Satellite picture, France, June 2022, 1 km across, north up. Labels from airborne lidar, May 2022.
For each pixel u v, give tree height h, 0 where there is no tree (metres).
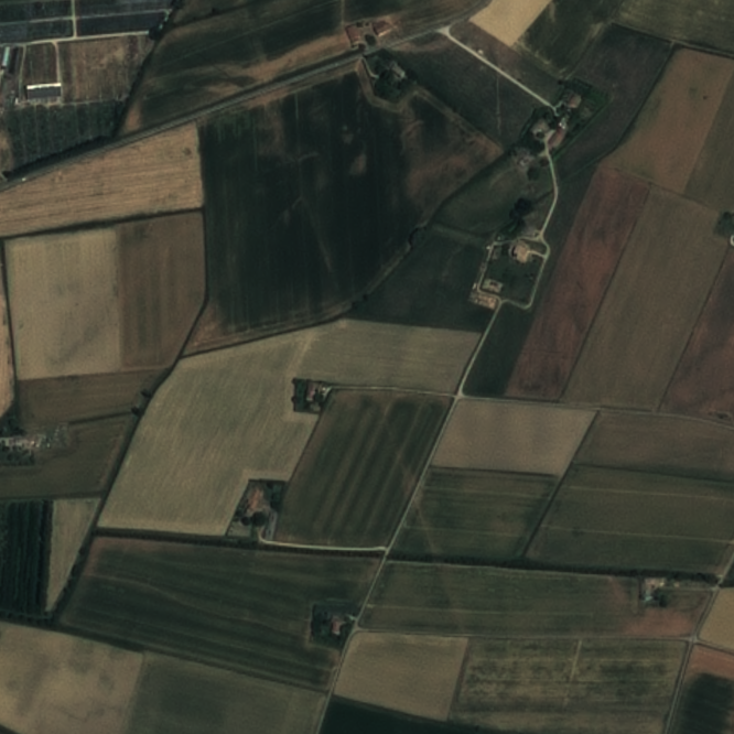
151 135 0
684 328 0
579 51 0
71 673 0
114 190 0
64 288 0
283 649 0
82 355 0
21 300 0
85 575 0
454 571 0
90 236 0
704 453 0
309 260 0
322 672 0
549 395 0
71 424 0
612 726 0
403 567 0
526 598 0
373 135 0
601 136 0
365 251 0
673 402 0
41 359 0
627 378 0
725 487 0
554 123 13
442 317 0
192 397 0
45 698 0
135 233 0
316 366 0
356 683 0
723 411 0
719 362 0
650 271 0
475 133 0
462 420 0
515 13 0
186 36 0
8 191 0
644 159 0
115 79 0
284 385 0
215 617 0
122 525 0
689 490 0
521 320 0
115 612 0
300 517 0
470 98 0
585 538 0
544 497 0
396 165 0
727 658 0
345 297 0
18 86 0
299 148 0
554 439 0
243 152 0
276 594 0
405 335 0
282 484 8
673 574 5
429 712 0
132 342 0
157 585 0
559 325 0
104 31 0
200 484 0
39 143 0
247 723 0
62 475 0
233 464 0
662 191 0
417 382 0
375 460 0
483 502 0
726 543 0
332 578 0
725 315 0
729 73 0
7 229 0
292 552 8
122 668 0
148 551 0
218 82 0
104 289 0
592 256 0
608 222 0
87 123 0
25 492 0
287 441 0
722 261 0
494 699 0
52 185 0
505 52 0
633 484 0
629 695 0
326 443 0
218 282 0
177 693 0
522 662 0
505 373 0
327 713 0
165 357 0
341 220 0
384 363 0
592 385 0
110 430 0
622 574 10
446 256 0
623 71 0
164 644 0
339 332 0
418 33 0
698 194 0
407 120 0
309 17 0
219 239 0
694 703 0
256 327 0
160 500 0
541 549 0
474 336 0
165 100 0
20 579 9
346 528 0
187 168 0
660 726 0
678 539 0
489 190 0
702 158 0
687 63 0
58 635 0
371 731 0
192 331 0
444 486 0
